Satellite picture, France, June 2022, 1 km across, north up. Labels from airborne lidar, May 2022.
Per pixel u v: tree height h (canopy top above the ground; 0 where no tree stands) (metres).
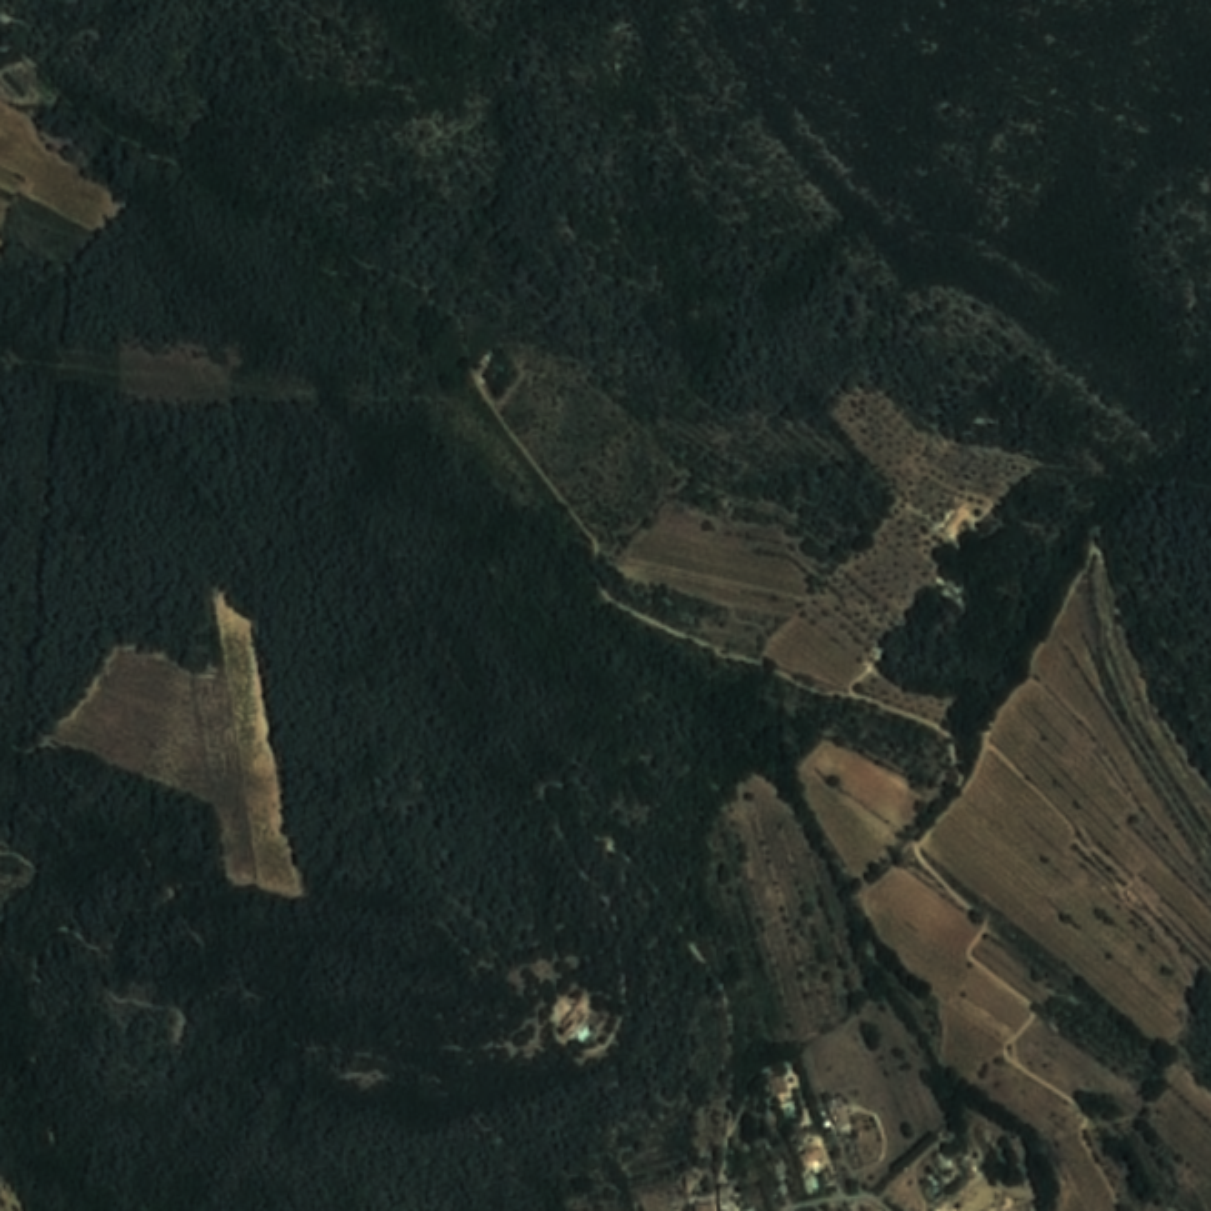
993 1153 8
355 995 13
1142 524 14
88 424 12
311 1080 8
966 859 0
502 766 14
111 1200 17
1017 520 8
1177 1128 0
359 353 9
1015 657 14
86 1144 10
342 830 17
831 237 8
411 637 7
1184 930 0
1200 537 15
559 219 14
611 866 14
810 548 12
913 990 12
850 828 0
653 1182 0
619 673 14
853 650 0
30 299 8
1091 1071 0
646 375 9
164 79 14
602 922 15
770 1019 8
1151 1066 8
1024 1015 0
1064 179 7
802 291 11
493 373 8
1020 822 0
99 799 14
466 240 6
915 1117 0
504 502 11
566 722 14
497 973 11
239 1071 14
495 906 15
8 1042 10
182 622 14
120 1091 11
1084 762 0
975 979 0
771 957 6
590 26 7
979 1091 11
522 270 18
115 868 9
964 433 8
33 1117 15
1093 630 0
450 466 19
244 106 11
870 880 10
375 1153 14
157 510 14
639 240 10
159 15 16
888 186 6
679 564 0
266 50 11
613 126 10
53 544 18
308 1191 11
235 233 14
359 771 14
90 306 18
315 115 9
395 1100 10
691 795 11
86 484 13
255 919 16
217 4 12
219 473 19
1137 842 0
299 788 19
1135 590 8
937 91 6
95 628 20
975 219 5
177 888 8
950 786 14
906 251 6
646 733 12
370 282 17
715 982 20
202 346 16
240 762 0
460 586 13
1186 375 6
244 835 0
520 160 15
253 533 13
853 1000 13
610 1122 16
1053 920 0
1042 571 16
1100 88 6
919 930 0
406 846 17
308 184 7
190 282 9
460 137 9
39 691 14
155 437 18
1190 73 6
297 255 10
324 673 20
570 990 7
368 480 12
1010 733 0
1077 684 0
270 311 15
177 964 7
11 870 9
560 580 11
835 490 9
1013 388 15
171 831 9
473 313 6
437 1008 6
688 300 9
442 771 17
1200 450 9
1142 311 8
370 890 14
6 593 17
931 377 14
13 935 16
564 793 13
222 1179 9
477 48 8
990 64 5
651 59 7
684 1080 10
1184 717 9
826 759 0
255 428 16
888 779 0
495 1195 14
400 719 18
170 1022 11
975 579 11
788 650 0
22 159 0
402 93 7
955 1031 0
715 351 13
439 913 17
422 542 12
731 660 8
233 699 0
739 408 13
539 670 14
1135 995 0
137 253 15
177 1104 11
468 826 19
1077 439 6
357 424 9
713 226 8
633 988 15
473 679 11
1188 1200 0
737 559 0
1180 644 6
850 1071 0
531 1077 7
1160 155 6
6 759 12
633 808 7
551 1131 14
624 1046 7
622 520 6
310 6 13
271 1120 17
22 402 17
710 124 8
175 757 0
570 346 9
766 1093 8
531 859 17
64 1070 10
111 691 0
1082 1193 0
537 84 10
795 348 15
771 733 16
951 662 14
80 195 0
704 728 11
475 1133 13
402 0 9
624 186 13
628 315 14
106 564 18
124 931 7
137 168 19
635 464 0
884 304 8
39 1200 16
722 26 5
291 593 17
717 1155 12
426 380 8
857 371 16
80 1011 10
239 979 13
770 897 0
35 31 7
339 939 7
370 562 14
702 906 14
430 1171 14
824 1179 0
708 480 9
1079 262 7
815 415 14
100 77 8
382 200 9
